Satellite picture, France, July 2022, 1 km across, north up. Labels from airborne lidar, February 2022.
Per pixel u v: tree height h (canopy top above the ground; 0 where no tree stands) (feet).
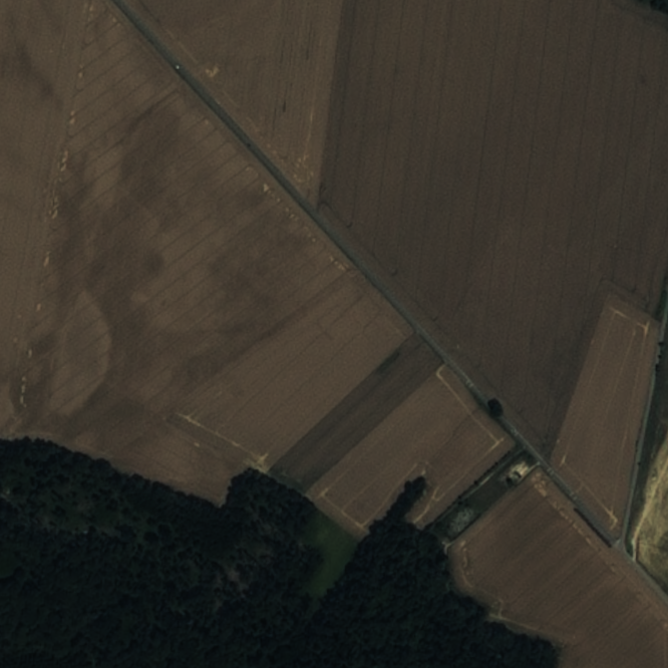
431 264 0
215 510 70
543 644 63
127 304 0
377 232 0
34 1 0
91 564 73
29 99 0
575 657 0
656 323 0
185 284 0
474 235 0
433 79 0
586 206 0
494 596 0
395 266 0
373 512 0
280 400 0
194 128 0
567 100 0
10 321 0
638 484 0
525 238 0
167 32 0
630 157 0
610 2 0
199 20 0
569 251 0
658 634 0
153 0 0
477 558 0
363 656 71
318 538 0
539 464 0
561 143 0
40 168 0
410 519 0
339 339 0
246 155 0
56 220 0
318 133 0
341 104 0
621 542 0
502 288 0
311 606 95
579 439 0
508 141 0
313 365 0
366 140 0
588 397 0
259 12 0
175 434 0
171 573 58
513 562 0
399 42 0
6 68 0
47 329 0
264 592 69
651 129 0
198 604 81
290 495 60
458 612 88
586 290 0
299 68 0
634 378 0
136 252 0
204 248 0
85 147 0
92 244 0
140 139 0
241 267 0
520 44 0
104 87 0
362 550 53
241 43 0
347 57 0
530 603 0
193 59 0
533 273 0
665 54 0
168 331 0
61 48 0
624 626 0
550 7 0
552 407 0
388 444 0
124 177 0
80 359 0
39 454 51
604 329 0
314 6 0
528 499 0
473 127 0
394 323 0
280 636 70
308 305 0
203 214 0
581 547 0
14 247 0
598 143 0
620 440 0
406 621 78
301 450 0
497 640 93
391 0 0
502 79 0
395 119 0
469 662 91
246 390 0
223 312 0
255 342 0
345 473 0
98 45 0
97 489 30
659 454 0
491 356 0
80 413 0
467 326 0
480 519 0
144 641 48
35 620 73
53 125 0
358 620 69
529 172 0
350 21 0
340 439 0
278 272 0
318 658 23
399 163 0
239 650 77
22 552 43
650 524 0
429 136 0
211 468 0
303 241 0
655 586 0
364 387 0
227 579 58
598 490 0
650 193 0
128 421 0
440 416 0
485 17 0
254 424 0
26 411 0
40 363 0
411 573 20
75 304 0
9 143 0
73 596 80
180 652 75
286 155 0
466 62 0
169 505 60
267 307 0
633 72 0
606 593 0
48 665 29
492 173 0
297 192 0
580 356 0
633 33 0
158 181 0
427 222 0
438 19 0
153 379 0
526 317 0
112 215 0
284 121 0
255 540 80
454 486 0
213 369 0
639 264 0
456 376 0
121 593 71
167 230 0
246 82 0
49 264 0
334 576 0
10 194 0
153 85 0
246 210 0
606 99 0
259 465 0
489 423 0
